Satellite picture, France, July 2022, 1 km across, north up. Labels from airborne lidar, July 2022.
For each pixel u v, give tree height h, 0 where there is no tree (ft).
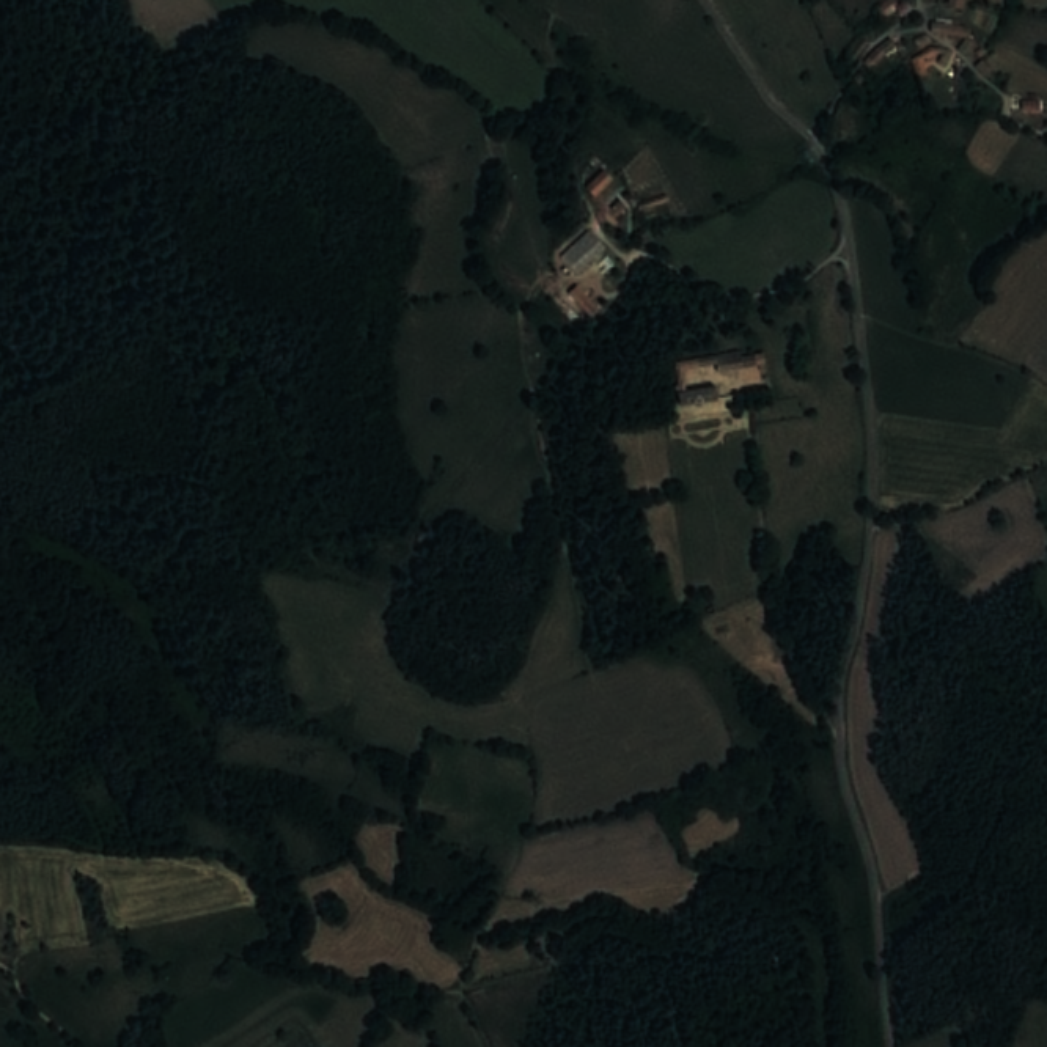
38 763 22
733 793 0
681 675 0
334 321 67
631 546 89
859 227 0
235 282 83
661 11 0
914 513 53
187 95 82
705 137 24
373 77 0
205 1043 0
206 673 43
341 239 73
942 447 0
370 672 0
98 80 74
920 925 61
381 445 69
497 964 0
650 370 74
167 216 90
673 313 73
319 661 0
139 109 68
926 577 54
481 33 0
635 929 29
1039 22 0
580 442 81
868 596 0
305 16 54
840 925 35
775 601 59
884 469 0
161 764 58
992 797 27
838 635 101
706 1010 33
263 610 70
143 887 0
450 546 47
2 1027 0
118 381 71
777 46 0
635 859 0
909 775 68
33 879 0
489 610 52
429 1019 73
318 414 56
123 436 51
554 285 0
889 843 0
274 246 66
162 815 76
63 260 67
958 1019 54
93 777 22
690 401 0
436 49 0
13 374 79
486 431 0
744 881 76
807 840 73
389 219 77
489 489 0
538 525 69
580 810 0
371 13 0
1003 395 0
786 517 0
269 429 65
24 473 68
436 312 0
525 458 0
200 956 0
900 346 0
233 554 78
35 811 75
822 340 0
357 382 76
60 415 67
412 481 75
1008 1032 51
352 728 0
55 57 51
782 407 0
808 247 0
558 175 34
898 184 0
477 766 0
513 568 78
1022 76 0
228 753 0
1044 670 31
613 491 81
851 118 0
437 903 35
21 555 70
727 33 0
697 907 74
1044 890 64
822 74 0
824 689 118
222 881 0
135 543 135
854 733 0
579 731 0
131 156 109
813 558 70
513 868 0
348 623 0
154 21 0
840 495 0
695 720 0
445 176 0
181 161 71
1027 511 0
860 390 28
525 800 0
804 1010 85
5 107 65
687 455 0
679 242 0
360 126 89
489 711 0
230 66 120
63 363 65
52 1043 0
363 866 29
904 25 24
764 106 0
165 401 63
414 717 0
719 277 0
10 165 116
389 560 0
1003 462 0
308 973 81
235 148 64
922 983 67
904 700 88
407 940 0
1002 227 0
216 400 127
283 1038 36
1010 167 0
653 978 55
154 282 120
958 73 25
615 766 0
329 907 66
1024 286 0
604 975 58
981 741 68
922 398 0
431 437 0
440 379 0
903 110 83
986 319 0
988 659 21
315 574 0
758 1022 30
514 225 0
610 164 0
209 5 0
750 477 42
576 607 0
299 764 0
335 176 75
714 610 18
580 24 0
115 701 62
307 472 60
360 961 0
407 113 0
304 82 60
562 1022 33
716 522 0
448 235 0
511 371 0
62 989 0
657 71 0
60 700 97
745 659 0
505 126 86
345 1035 0
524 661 29
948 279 0
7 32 71
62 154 32
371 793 0
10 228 69
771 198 0
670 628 45
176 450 73
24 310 103
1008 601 67
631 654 61
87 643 97
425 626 53
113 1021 0
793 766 59
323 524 69
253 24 63
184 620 72
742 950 83
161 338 66
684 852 30
